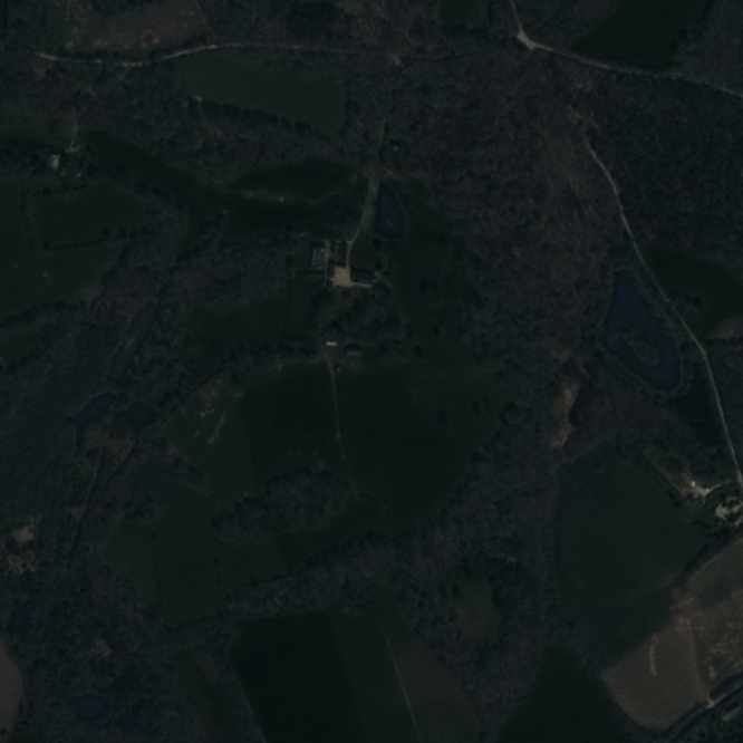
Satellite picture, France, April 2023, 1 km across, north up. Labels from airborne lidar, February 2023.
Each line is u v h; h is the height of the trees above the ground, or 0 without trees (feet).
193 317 0
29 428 32
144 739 29
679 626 0
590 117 51
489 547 30
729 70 49
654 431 53
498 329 39
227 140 87
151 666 46
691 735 22
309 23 66
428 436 0
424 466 0
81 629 43
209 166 72
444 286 0
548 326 63
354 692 0
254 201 0
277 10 58
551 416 62
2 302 0
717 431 30
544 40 53
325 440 0
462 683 60
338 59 52
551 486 59
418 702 0
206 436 0
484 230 64
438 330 38
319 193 0
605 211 61
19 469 38
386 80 73
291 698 0
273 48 52
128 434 31
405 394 0
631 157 36
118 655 39
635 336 20
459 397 0
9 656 0
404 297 0
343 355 0
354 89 62
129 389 70
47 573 38
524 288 73
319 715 0
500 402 0
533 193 29
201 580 0
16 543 41
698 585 0
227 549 0
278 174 0
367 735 0
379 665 0
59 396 39
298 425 0
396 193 0
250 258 61
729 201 38
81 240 0
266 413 0
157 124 81
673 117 43
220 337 0
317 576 71
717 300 0
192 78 0
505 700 55
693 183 45
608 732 0
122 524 0
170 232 65
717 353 41
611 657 0
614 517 0
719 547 63
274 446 0
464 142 68
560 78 58
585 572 0
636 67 41
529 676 54
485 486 61
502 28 50
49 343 70
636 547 0
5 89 71
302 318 0
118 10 59
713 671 0
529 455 67
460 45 76
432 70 74
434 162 72
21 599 42
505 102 86
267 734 0
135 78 63
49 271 0
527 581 66
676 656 0
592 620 0
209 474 0
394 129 59
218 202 0
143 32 0
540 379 75
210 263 54
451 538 69
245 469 0
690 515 39
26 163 24
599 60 30
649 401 52
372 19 73
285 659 0
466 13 0
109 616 38
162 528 0
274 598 60
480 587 0
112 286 60
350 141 59
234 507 0
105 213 0
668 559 0
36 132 0
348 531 0
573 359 41
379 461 0
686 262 0
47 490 37
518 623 75
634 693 0
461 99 73
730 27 58
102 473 21
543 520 42
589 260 60
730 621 0
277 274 45
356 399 0
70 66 67
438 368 0
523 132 80
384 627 0
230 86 0
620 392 63
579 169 64
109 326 34
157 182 0
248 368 67
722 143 45
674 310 40
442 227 0
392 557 73
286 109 0
